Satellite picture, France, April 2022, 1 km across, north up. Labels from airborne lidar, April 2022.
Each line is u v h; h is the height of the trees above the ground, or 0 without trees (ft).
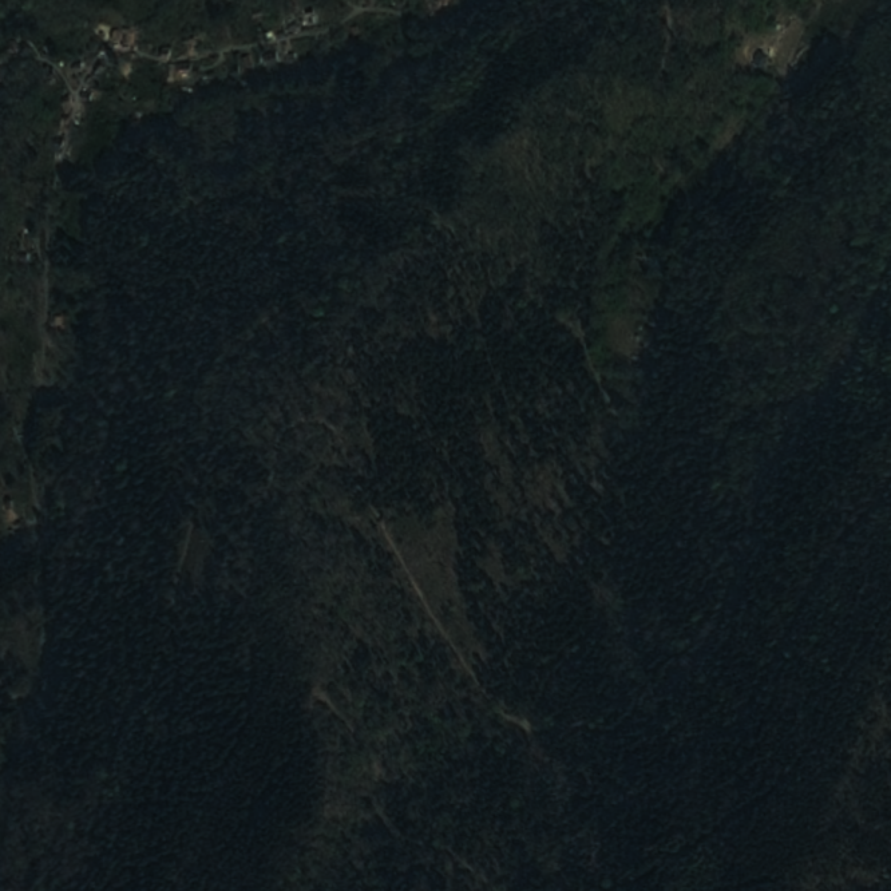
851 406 94
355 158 46
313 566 34
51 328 23
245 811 83
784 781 57
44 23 52
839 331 61
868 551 69
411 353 81
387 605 85
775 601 74
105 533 85
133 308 31
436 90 88
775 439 53
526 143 45
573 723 62
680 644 88
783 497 86
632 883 58
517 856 115
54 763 67
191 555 0
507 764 101
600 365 58
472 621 0
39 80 26
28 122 50
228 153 44
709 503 83
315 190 92
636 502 116
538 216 96
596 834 99
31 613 76
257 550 49
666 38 59
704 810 84
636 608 41
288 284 83
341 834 63
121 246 54
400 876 95
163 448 79
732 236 83
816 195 49
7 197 80
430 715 97
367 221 45
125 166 80
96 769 82
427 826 114
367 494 109
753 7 81
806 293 47
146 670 110
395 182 24
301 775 60
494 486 106
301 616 40
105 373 93
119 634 87
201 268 82
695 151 80
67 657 99
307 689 38
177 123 57
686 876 45
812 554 70
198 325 65
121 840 75
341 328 69
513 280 73
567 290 102
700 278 76
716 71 68
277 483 54
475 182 53
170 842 84
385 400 104
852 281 59
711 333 83
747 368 36
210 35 26
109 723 57
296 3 78
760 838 75
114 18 0
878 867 75
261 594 58
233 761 84
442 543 0
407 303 73
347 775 47
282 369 73
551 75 49
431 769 113
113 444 33
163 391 66
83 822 98
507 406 101
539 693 120
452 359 101
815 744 52
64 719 114
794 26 0
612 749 74
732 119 56
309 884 69
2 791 47
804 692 59
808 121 79
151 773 80
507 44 60
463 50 73
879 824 75
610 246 78
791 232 44
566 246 91
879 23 51
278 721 67
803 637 59
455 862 54
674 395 117
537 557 33
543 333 101
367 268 77
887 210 73
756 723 81
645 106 50
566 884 70
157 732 82
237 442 49
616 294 72
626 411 98
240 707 89
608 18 80
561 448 118
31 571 97
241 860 52
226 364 60
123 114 0
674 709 47
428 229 29
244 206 104
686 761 51
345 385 86
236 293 67
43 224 71
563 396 43
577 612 85
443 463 104
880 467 65
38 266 62
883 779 89
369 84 111
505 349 100
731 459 60
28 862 103
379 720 79
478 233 71
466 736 107
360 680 80
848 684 42
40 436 105
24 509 0
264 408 59
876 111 52
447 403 92
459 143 44
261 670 63
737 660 70
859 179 43
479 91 37
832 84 66
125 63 30
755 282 31
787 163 65
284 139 75
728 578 74
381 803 92
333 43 36
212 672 81
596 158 68
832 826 53
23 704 45
